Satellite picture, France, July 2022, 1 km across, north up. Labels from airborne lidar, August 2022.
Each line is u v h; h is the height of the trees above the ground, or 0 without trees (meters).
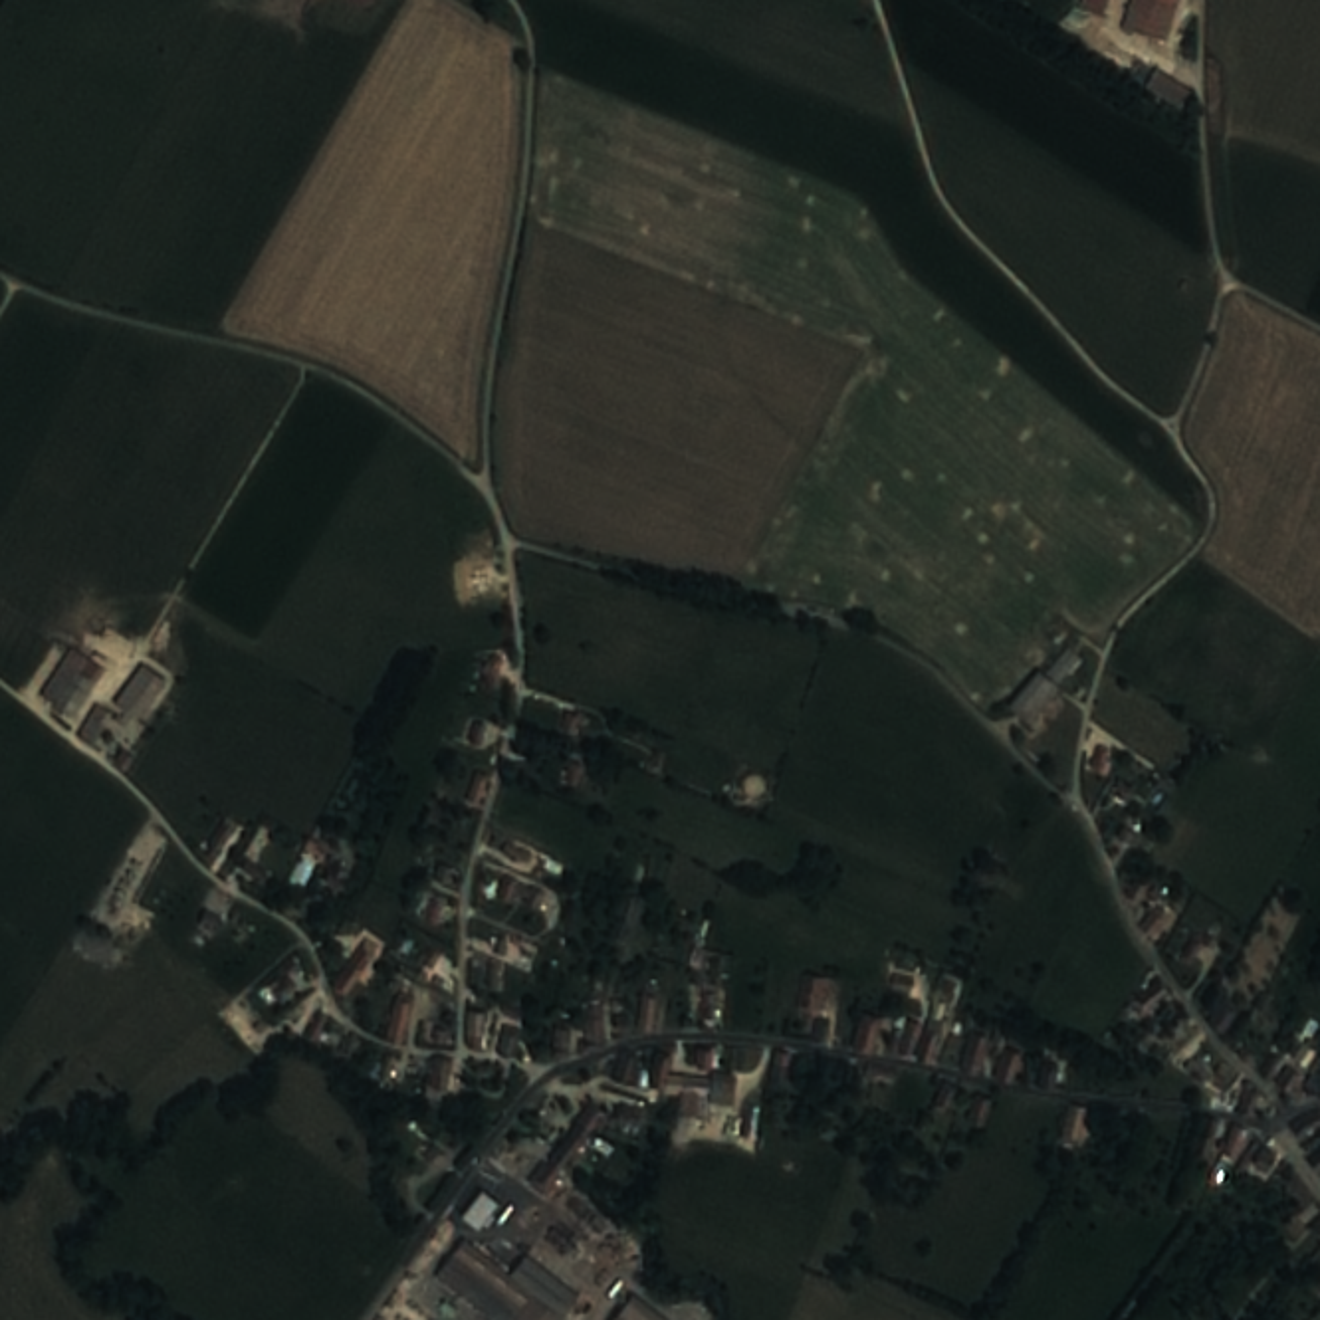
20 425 0
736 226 0
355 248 0
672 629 0
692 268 0
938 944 0
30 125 0
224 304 0
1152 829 12
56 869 0
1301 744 0
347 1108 7
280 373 0
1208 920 0
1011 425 0
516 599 0
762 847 0
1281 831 0
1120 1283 0
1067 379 0
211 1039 0
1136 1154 17
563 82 0
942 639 0
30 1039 0
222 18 0
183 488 0
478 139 0
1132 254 0
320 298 0
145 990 0
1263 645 0
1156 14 0
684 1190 0
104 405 0
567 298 0
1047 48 11
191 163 0
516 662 13
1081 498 0
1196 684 0
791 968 0
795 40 0
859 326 0
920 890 0
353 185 0
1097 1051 16
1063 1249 0
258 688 0
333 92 0
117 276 0
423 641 0
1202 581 0
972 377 0
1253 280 0
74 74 0
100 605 0
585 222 0
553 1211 0
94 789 0
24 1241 0
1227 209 0
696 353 0
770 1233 0
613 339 0
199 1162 0
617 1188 10
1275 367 0
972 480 0
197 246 0
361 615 0
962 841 0
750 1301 0
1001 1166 0
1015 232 0
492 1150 0
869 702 0
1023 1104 0
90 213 0
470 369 0
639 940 0
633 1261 0
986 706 0
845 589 0
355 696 0
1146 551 0
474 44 0
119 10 0
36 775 0
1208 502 0
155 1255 0
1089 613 0
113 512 0
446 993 0
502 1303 0
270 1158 0
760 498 0
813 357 0
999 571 0
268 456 0
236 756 0
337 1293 0
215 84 0
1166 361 0
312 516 0
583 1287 0
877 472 0
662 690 0
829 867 14
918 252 0
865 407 0
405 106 0
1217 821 0
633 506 0
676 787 7
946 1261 0
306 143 0
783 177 0
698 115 0
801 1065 10
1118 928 0
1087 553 0
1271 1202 14
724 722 0
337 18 0
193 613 0
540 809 0
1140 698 0
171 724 0
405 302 0
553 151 0
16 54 0
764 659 0
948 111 0
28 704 0
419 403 0
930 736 0
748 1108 0
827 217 0
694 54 0
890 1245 0
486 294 0
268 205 0
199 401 0
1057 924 0
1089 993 0
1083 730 0
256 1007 0
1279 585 0
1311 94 0
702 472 0
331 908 8
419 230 0
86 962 0
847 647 0
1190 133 6
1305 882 0
